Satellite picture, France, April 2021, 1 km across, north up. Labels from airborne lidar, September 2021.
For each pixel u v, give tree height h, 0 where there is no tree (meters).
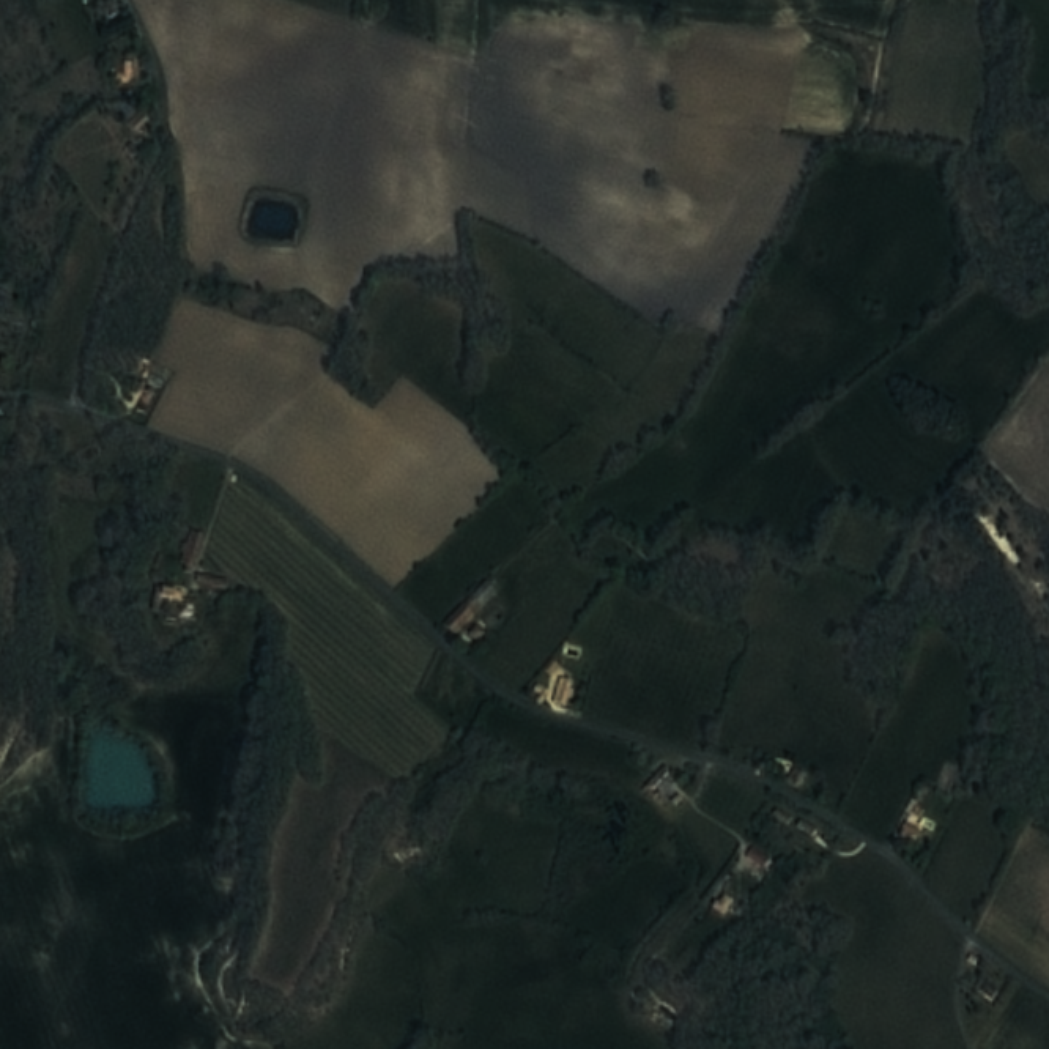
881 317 10
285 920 0
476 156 0
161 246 13
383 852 14
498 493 11
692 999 15
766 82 0
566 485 0
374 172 0
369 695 6
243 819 20
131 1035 0
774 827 10
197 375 0
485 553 0
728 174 0
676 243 0
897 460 0
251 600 16
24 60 0
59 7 0
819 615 0
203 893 0
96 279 0
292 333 0
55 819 0
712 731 19
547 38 0
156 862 0
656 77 0
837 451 0
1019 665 22
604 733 0
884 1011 0
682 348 0
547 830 0
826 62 0
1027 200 10
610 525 18
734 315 13
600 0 0
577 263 0
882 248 0
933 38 0
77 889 0
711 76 0
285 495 0
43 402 0
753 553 20
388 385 0
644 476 0
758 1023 19
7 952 0
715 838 0
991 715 16
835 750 0
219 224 0
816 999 10
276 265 0
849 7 0
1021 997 0
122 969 0
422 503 0
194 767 0
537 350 0
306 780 14
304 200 0
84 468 13
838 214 0
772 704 0
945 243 0
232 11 0
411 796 18
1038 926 0
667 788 0
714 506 0
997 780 20
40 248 7
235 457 0
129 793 0
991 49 7
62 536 0
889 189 0
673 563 22
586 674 9
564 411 0
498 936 0
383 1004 0
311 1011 7
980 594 16
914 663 20
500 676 0
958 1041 0
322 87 0
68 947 0
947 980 0
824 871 8
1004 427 0
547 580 0
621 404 0
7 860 0
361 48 0
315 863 0
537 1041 0
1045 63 0
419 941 0
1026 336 0
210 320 0
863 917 0
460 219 11
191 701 0
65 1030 0
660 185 11
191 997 0
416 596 0
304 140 0
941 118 0
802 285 0
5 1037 0
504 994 0
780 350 0
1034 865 0
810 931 14
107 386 21
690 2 0
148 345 20
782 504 0
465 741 10
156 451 17
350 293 0
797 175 0
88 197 0
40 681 22
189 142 0
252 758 25
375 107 0
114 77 6
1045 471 0
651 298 0
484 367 21
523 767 17
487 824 0
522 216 0
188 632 7
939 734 0
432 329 0
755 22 0
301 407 0
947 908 0
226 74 0
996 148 19
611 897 0
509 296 0
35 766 0
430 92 0
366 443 0
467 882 0
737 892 0
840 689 0
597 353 0
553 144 0
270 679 23
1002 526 9
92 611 23
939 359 0
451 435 0
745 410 0
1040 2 0
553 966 0
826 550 15
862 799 0
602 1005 0
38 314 12
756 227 0
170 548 9
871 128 9
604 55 0
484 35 0
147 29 0
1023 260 11
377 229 0
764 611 0
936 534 12
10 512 19
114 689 10
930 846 11
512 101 0
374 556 0
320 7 0
